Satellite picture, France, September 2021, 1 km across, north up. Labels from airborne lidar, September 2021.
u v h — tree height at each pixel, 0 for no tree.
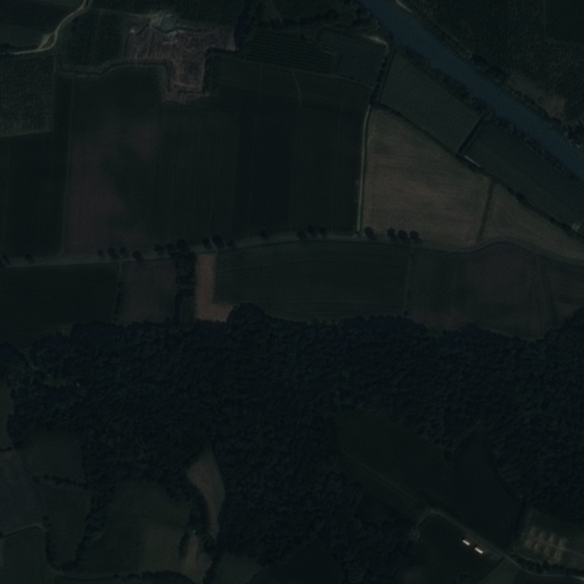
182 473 11
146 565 0
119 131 0
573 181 11
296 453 30
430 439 9
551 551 0
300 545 16
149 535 0
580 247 0
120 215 0
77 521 0
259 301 0
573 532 0
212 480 0
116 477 15
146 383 24
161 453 26
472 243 0
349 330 20
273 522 10
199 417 22
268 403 32
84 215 0
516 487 10
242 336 28
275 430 32
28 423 18
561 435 15
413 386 23
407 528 18
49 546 9
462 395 24
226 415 15
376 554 26
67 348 20
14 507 0
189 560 0
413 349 26
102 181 0
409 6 10
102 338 31
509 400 28
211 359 23
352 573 34
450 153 0
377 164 0
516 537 7
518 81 0
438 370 27
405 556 21
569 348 7
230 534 23
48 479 12
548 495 22
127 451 23
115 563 0
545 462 27
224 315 0
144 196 0
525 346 8
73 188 0
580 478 19
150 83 0
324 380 25
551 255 0
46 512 0
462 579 10
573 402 24
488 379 21
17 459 0
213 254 0
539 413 7
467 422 18
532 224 0
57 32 0
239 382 29
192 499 13
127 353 24
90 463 21
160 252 13
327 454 27
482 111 16
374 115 0
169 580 13
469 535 0
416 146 0
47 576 0
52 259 0
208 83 8
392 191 0
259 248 0
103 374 23
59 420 18
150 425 22
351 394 16
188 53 0
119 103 0
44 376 26
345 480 20
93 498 6
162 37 0
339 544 21
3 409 0
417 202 0
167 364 18
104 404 25
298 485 32
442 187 0
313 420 25
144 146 0
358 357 29
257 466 8
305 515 16
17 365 24
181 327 19
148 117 0
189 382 12
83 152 0
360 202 0
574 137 30
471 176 0
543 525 0
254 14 10
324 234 10
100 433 30
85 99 0
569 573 9
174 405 21
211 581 17
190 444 25
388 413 20
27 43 0
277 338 14
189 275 10
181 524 0
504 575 0
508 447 24
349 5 16
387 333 29
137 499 0
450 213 0
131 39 0
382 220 0
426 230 0
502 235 0
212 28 0
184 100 0
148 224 0
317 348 24
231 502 19
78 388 28
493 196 0
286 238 0
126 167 0
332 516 24
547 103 0
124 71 0
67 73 0
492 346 25
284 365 15
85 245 0
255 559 14
